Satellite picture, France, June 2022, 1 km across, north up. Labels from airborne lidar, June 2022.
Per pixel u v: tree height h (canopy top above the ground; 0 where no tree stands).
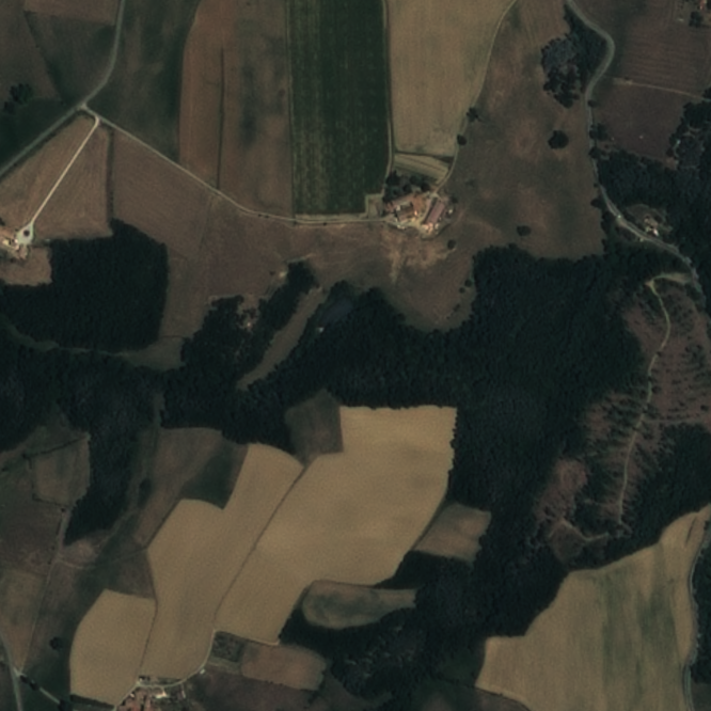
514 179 0
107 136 0
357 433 0
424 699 0
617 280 23
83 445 0
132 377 18
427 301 0
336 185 0
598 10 0
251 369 10
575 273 20
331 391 14
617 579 0
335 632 10
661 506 16
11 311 11
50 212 0
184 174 0
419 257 0
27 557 0
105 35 0
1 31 0
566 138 14
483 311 22
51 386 14
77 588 0
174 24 0
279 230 0
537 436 16
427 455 0
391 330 17
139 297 7
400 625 17
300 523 0
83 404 15
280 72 0
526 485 16
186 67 0
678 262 15
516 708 0
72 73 0
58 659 0
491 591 16
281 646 0
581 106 0
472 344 17
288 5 0
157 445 0
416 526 0
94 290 13
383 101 0
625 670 0
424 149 0
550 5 0
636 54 0
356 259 0
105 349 12
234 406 18
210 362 11
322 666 0
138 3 0
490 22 0
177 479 0
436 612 18
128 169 0
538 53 0
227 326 10
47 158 0
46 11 0
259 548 0
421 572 11
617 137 0
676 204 6
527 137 0
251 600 0
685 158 19
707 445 11
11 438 14
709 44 0
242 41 0
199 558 0
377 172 0
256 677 0
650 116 0
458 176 0
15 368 18
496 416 17
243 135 0
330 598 0
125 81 0
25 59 0
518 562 18
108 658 0
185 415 15
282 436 15
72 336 16
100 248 9
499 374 14
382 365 13
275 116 0
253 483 0
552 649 0
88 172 0
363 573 0
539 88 0
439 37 0
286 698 0
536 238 0
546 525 6
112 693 0
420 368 17
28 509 0
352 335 12
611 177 9
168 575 0
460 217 0
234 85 0
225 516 0
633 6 0
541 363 14
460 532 0
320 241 0
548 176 0
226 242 0
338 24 0
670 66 0
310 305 0
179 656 0
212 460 0
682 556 0
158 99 0
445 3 0
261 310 8
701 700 0
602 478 14
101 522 10
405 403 13
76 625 0
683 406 12
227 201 0
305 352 12
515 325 18
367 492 0
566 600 0
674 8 0
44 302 14
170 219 0
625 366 13
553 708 0
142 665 0
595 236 0
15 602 0
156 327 11
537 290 19
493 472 15
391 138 0
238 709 0
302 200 0
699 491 12
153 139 0
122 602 0
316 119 0
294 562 0
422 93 0
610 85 0
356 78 0
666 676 0
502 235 0
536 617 8
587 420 8
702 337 0
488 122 0
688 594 0
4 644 0
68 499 0
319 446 0
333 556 0
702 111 17
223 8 0
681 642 0
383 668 15
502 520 14
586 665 0
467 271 0
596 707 0
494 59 0
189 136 0
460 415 14
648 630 0
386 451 0
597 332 21
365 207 0
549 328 16
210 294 0
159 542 0
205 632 0
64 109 0
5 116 0
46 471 0
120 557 0
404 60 0
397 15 0
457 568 15
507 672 0
